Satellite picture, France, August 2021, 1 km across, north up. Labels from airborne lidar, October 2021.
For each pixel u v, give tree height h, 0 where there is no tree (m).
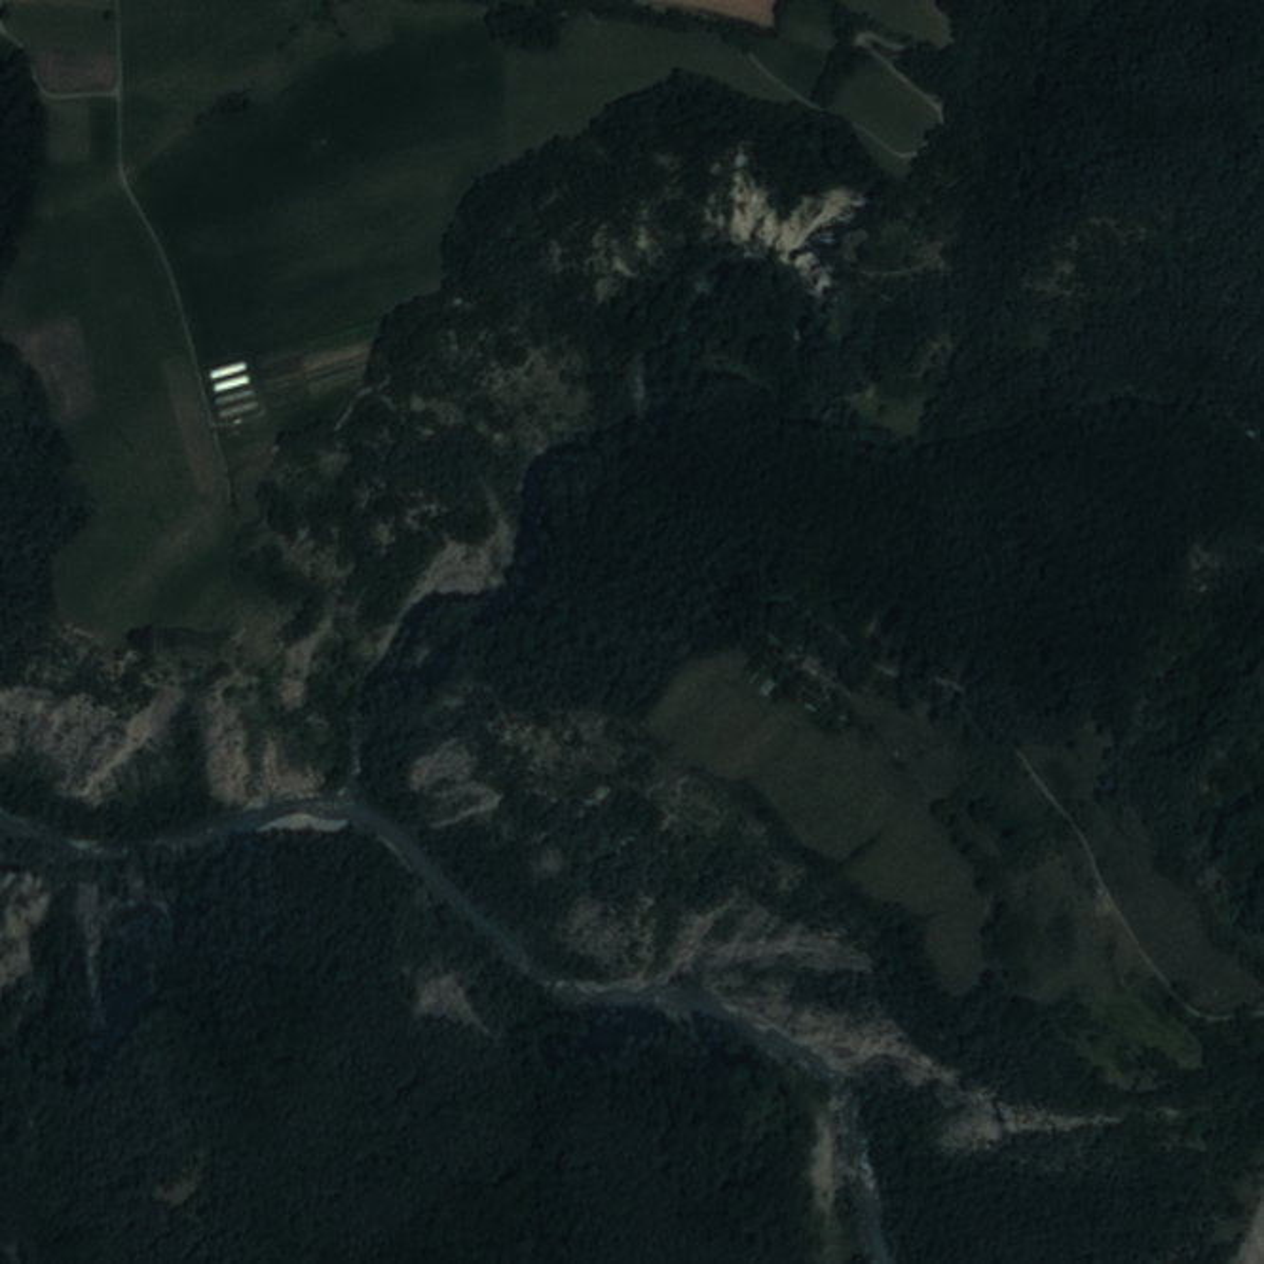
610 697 14
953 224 6
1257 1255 0
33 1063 7
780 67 0
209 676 6
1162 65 27
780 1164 20
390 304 0
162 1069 6
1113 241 12
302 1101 16
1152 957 0
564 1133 14
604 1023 9
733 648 11
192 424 0
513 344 7
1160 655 14
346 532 10
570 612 12
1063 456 18
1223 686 28
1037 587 21
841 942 7
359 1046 17
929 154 7
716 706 0
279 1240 22
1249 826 21
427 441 10
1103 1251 7
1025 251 10
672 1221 23
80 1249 22
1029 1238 17
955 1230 14
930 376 12
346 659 10
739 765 0
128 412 0
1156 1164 13
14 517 12
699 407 21
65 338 0
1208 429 17
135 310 0
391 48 0
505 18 14
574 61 0
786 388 14
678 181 7
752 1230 26
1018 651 17
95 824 18
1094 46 23
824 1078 7
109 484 0
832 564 13
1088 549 15
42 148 16
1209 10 11
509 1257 18
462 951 8
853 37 7
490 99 0
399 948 8
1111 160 16
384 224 0
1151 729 11
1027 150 22
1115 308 8
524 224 9
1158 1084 8
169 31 0
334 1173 19
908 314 10
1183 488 12
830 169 16
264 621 0
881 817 0
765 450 21
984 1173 14
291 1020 24
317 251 0
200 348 0
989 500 13
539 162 11
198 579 0
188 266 0
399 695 12
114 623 0
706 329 19
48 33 0
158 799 11
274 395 0
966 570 14
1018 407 17
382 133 0
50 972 7
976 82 16
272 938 16
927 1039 8
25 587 10
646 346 8
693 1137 21
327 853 23
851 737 0
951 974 0
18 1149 11
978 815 16
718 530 14
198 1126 12
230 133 0
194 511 0
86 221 0
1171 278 14
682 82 14
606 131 19
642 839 9
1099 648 20
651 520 24
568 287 10
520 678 12
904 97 0
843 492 25
